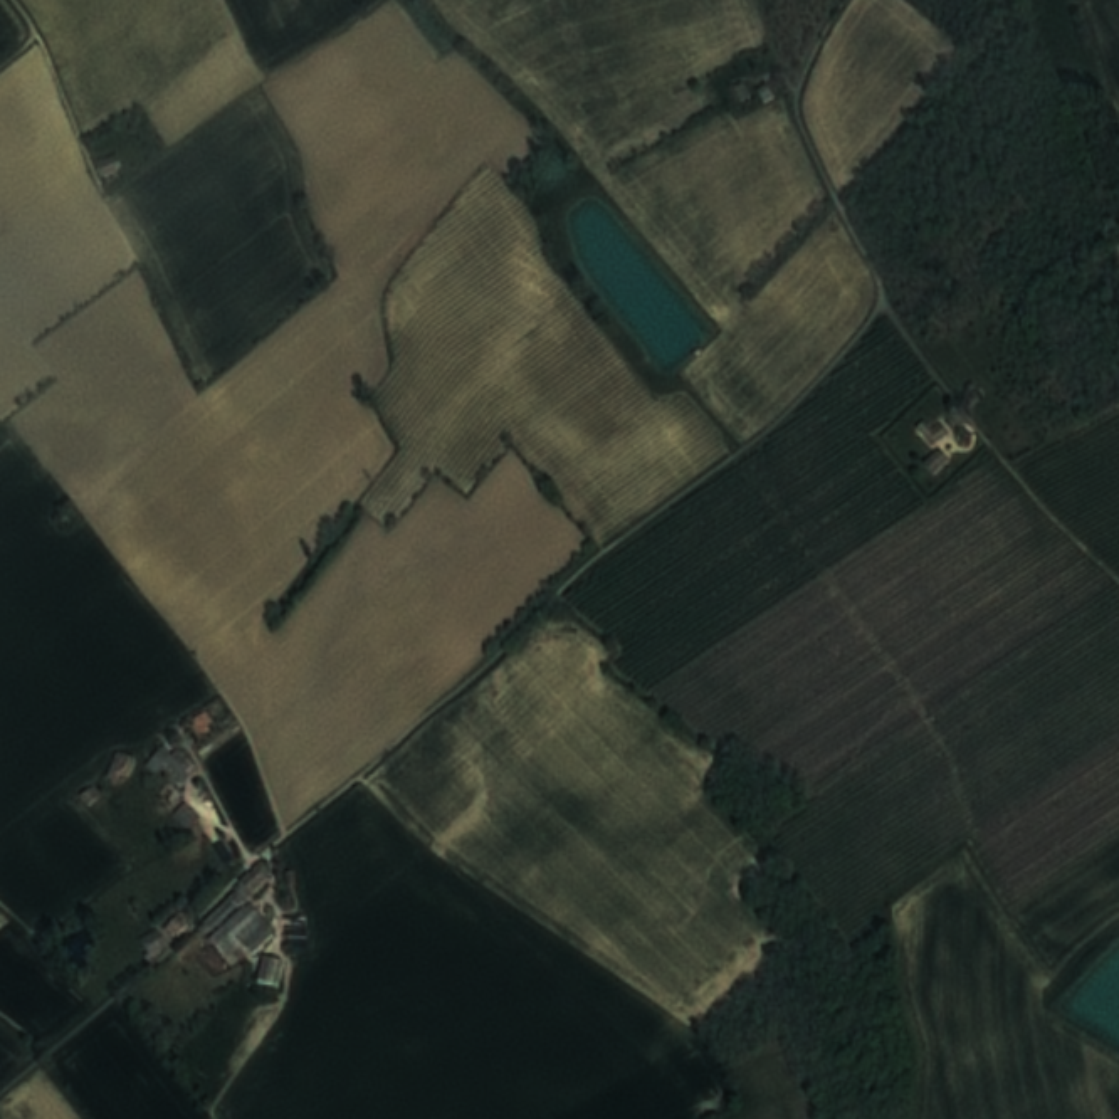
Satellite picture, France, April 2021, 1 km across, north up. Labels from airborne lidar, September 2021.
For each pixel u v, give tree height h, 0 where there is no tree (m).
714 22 0
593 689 0
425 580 0
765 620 6
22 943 0
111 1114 0
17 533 0
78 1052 0
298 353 0
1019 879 5
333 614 0
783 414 0
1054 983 0
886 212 9
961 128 14
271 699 0
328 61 0
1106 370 20
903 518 6
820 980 26
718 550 5
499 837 0
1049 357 18
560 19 0
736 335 0
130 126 6
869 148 0
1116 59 0
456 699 0
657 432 0
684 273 0
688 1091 0
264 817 0
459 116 0
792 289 0
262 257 0
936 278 15
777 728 6
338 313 0
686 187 0
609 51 0
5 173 0
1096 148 8
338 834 0
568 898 0
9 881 0
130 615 0
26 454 0
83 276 0
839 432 6
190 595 0
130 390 0
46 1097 0
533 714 0
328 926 0
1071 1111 0
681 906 0
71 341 0
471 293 0
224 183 0
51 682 0
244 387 0
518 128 0
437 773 0
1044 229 6
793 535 6
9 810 0
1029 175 14
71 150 0
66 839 0
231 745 0
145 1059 0
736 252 0
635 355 0
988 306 8
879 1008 26
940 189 14
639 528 0
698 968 0
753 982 12
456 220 0
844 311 0
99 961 0
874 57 0
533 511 0
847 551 6
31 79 0
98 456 0
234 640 0
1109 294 19
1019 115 18
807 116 0
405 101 0
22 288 0
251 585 0
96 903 0
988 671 6
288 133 0
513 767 0
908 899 0
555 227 0
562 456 0
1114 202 7
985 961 0
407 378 0
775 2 7
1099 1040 0
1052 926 0
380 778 0
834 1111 15
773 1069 0
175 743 17
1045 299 21
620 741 0
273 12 0
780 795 21
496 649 14
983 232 13
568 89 0
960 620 6
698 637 6
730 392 0
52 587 0
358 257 0
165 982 0
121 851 0
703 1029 17
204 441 0
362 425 0
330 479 0
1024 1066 0
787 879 17
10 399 0
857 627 6
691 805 0
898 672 6
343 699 0
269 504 0
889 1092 18
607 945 0
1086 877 0
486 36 0
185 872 0
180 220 0
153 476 0
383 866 0
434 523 0
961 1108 0
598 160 0
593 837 0
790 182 0
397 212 0
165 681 0
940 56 0
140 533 0
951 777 5
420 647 0
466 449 0
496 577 0
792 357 0
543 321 0
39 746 0
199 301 0
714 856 0
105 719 0
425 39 0
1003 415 0
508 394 0
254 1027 0
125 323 0
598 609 6
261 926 0
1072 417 8
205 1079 0
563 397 0
